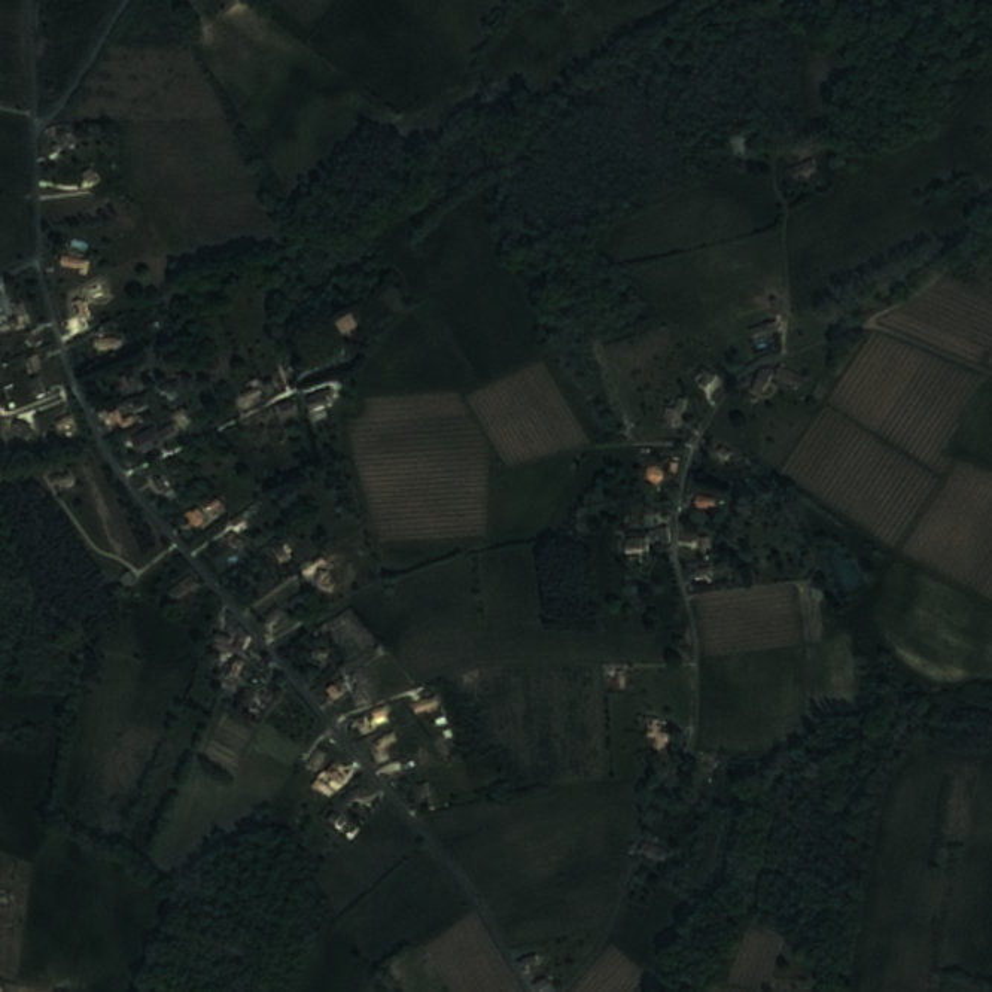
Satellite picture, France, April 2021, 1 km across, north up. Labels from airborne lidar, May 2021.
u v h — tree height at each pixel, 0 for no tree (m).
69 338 0
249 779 0
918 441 0
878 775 11
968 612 0
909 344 0
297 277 11
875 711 19
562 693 0
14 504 17
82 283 0
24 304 8
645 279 0
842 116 22
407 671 0
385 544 0
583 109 23
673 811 17
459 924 0
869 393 0
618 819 0
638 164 17
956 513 0
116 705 0
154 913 0
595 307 17
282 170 0
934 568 0
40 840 0
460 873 0
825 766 21
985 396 0
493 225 16
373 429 0
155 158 0
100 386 10
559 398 0
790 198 9
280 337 18
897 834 0
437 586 0
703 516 11
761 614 0
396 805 0
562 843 0
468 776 0
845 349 13
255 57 0
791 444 0
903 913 0
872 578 22
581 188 21
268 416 14
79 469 6
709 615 0
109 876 0
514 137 27
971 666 0
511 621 0
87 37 0
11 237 0
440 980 0
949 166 0
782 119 17
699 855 13
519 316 0
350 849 0
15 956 0
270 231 0
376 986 15
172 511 11
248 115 0
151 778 13
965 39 21
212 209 0
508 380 0
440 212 19
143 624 0
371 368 0
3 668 15
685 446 12
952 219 0
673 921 0
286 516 13
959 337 0
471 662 0
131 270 0
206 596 6
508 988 0
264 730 0
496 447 0
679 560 0
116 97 0
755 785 22
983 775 0
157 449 6
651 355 0
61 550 17
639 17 0
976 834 0
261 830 19
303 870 14
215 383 9
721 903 23
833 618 0
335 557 0
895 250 0
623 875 0
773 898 13
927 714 16
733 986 0
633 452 0
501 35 10
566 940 6
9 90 0
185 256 0
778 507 28
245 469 11
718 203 0
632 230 0
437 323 0
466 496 0
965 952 0
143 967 11
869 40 24
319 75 0
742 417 10
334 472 10
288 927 19
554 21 0
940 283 0
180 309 16
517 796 7
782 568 13
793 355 0
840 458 0
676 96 19
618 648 0
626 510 0
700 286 0
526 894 0
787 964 12
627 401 0
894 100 24
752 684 0
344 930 0
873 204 0
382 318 7
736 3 23
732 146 11
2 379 0
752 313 0
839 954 23
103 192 0
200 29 17
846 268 0
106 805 9
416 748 0
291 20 0
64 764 13
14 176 0
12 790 0
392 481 0
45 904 0
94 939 0
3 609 9
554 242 21
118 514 0
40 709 0
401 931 0
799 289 0
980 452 0
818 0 30
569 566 18
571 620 17
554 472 0
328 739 0
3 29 0
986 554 0
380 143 27
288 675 8
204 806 0
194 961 18
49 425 0
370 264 15
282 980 8
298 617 11
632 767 0
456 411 0
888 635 0
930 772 0
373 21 0
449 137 14
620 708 0
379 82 0
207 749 0
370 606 0
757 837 21
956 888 0
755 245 0
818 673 0
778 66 23
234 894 19
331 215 20
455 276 0
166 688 0
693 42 22
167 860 0
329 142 0
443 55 0
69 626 11
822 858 11
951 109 6
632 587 10
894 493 0
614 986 0
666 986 10
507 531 0
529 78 0
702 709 0
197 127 0
